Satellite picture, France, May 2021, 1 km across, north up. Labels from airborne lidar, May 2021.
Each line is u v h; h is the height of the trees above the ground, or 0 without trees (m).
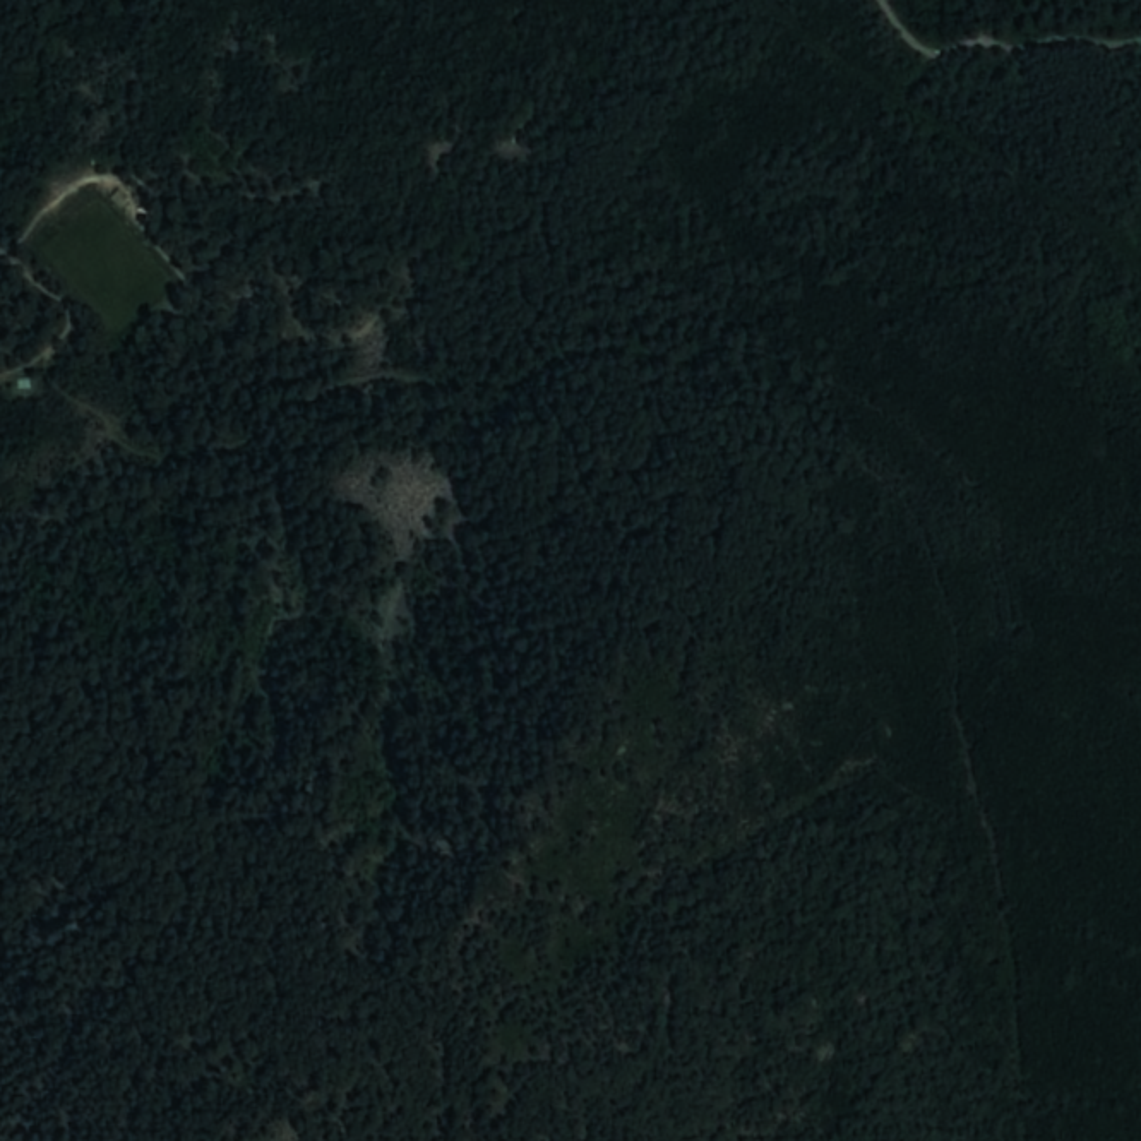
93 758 34
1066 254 16
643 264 18
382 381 7
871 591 10
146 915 27
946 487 14
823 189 21
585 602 31
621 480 20
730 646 6
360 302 28
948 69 14
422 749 18
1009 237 16
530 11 16
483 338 31
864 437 10
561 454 24
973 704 12
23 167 19
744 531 27
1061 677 12
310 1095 16
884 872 27
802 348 15
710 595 22
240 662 19
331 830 18
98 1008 11
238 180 22
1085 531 14
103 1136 15
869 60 9
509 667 23
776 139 8
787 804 16
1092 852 11
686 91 19
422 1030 26
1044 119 24
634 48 17
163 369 29
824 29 11
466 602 8
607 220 6
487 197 23
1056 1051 10
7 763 29
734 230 10
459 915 19
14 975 15
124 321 0
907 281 14
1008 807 12
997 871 8
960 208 16
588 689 22
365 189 19
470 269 6
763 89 13
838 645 8
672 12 14
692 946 10
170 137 13
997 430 13
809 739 8
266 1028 29
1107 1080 13
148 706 28
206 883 25
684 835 13
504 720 10
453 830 22
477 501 24
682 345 27
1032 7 21
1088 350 8
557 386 27
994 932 12
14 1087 14
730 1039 25
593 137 27
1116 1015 13
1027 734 11
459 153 12
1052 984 9
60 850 21
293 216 10
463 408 21
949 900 22
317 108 17
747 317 13
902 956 16
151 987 26
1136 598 15
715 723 9
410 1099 27
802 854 15
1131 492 9
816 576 20
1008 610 14
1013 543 9
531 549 31
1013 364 12
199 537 27
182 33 11
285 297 27
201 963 27
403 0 11
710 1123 26
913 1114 19
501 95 12
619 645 25
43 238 0
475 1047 20
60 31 11
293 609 15
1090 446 13
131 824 28
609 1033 12
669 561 24
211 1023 30
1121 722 10
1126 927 14
